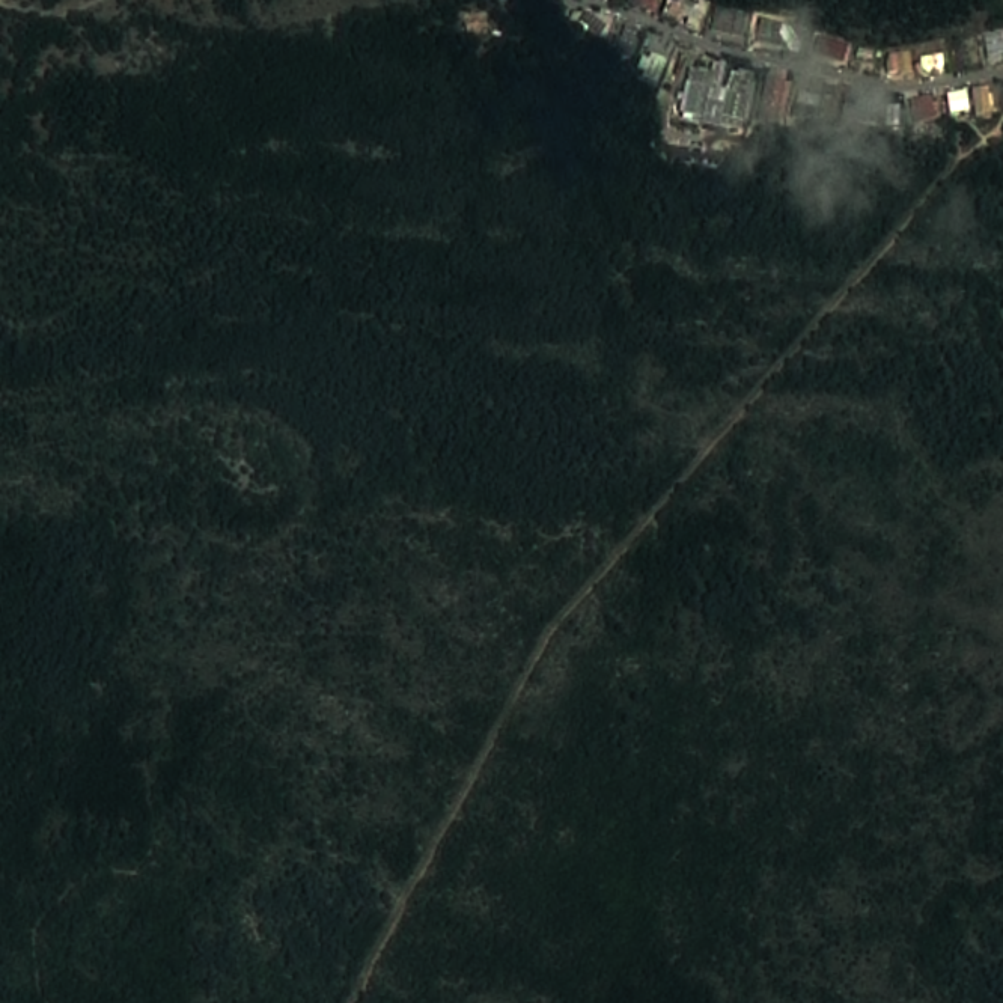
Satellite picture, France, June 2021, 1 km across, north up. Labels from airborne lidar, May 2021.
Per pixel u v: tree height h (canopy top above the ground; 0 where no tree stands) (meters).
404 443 13
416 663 6
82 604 11
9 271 10
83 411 5
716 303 6
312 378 12
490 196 15
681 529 10
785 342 9
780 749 8
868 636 6
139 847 9
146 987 9
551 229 13
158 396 9
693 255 6
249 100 13
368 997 12
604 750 8
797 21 8
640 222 11
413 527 6
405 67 13
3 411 7
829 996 6
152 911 6
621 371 10
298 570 9
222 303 14
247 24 6
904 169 6
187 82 10
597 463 11
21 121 13
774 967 8
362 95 11
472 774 0
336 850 6
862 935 7
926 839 7
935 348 11
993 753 6
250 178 8
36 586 11
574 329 15
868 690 6
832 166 9
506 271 17
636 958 7
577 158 9
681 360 8
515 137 13
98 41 9
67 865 6
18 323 8
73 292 8
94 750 9
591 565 5
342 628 9
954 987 9
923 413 12
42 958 6
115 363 13
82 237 11
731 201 11
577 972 6
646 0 0
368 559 7
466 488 10
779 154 15
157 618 6
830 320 10
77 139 11
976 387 15
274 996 6
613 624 9
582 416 11
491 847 7
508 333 14
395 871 6
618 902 7
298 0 0
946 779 6
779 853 6
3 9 8
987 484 7
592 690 6
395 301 15
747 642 7
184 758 6
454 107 15
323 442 12
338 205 8
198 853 9
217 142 11
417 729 6
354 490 9
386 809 0
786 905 7
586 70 7
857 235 16
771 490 7
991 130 0
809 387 9
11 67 9
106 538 10
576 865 6
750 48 0
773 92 0
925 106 0
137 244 9
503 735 6
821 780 11
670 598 7
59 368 9
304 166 12
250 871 6
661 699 6
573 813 6
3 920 7
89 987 8
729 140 0
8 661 11
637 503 7
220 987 6
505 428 11
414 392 12
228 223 13
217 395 9
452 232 6
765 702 6
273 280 12
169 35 6
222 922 14
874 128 10
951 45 0
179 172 11
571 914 7
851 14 7
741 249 10
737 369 7
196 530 9
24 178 9
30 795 9
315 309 6
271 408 13
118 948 7
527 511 8
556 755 9
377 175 13
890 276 7
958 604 0
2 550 11
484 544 5
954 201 9
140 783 8
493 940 6
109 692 6
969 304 7
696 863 6
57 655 7
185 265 9
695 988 6
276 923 8
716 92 0
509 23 15
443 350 8
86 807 10
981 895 7
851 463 8
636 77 6
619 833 7
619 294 12
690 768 7
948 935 9
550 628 0
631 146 16
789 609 6
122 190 11
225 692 8
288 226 10
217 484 6
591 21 0
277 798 7
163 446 8
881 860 5
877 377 12
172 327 10
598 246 10
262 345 14
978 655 0
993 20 9
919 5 8
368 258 8
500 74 13
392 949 5
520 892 6
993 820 9
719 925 6
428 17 16
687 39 0
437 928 6
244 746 6
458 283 10
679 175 14
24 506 10
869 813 7
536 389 14
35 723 8
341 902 10
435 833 0
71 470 7
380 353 14
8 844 8
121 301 8
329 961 12
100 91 14
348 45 11
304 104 10
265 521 6
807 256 11
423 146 11
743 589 11
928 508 6
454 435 12
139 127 15
